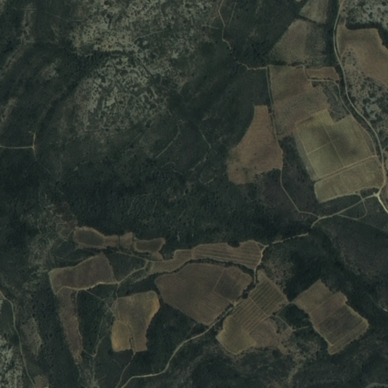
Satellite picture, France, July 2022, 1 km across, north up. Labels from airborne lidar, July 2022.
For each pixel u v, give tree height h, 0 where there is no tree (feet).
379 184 0
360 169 0
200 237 23
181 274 0
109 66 0
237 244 33
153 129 0
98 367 19
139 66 0
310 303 0
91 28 0
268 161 0
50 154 0
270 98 18
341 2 0
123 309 0
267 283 0
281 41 0
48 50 0
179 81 0
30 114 17
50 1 0
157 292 18
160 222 33
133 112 0
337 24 0
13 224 19
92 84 0
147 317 0
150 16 0
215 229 23
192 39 0
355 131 0
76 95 0
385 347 0
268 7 0
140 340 0
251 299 0
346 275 19
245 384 0
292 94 0
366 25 33
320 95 0
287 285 20
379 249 0
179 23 0
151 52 0
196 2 0
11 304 0
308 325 20
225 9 0
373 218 0
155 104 0
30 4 0
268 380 0
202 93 0
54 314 20
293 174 0
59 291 0
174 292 0
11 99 0
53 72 0
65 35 0
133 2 0
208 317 0
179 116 0
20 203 20
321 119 0
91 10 0
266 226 18
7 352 0
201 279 0
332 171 0
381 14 0
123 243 0
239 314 0
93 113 0
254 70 20
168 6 0
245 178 0
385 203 0
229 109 0
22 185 19
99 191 18
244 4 21
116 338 0
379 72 0
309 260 23
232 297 0
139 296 0
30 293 31
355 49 0
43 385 0
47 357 22
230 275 0
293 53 0
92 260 0
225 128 0
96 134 0
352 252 0
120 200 29
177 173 20
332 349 0
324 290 0
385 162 0
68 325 0
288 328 0
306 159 0
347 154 0
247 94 0
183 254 0
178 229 19
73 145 0
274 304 0
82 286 0
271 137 0
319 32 0
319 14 0
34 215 25
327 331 0
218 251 0
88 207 26
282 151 0
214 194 35
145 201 27
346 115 0
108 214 25
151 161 22
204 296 0
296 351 0
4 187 20
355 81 0
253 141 0
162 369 17
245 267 24
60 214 0
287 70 0
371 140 0
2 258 0
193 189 19
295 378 0
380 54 0
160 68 0
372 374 0
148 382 0
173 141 21
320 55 0
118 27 0
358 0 0
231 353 0
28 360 0
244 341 0
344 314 0
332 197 0
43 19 0
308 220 17
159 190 32
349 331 0
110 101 0
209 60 0
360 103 0
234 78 23
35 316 45
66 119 0
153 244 0
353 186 0
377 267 0
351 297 18
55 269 0
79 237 0
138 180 17
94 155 0
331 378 0
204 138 0
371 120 22
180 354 17
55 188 25
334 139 0
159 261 0
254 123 0
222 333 0
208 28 0
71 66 24
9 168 19
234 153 0
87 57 26
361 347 0
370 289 23
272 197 0
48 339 23
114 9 0
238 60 31
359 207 0
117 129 0
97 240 0
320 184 0
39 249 0
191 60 0
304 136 0
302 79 0
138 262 21
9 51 24
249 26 0
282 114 0
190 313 0
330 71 0
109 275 0
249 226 24
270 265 0
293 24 0
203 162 0
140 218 22
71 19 0
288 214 0
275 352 21
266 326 0
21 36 0
